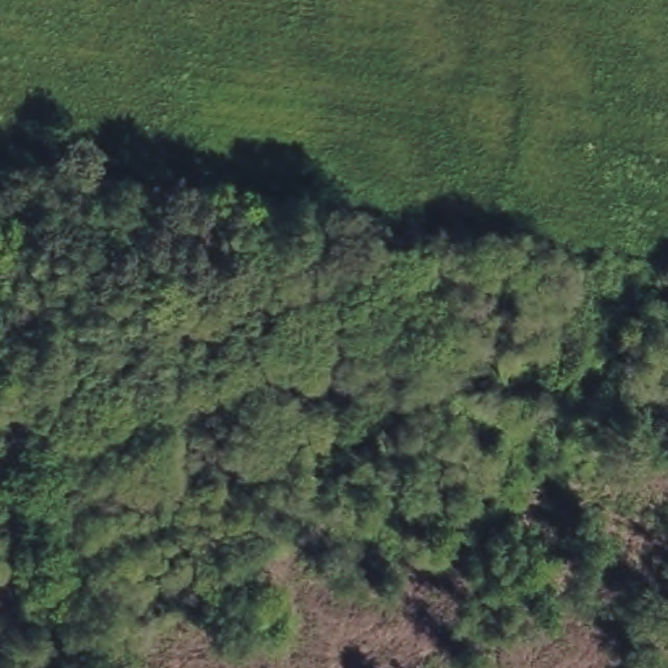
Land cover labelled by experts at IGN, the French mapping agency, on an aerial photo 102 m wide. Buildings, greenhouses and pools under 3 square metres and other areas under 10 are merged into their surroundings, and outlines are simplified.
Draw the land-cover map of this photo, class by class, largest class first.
<instances>
[{"label":"coniferous trees","instance_id":"1","mask_svg":"<svg viewBox=\"0 0 668 668\"><path fill-rule=\"evenodd\" d=\"M107 157L97 146V141H76L68 146L65 141H47L37 149H23L13 141H0V483L8 480L13 472H29L31 462L21 459L29 433L44 436L52 446L44 462V480H73V488L65 496L68 509L73 514V524L68 538L63 540L47 538L50 524L44 519L23 517V511L31 504V496L0 491V668H141V658L157 652L159 637L175 629L180 616H185L193 626L204 629L209 634L211 650L222 655L230 642V631L222 629L214 618H206L204 613L206 603L219 605L222 587L258 579L277 585L284 592V600H292L295 592L313 582L318 587H329L337 598L350 600L355 605L397 611L412 582L446 592L457 603V616L462 618H464L467 603L501 592V579L509 574L514 577V585H524L530 577L538 574V566L543 561H561L571 571L582 569L585 553L590 551V540L582 524H587L590 519L585 517V506L574 491L558 478H551L535 491L532 504L524 511H501L496 501L488 496V472L496 462L498 441L524 420L540 423L553 418L558 438L582 441L587 449L598 451H618L631 441V431H658L663 436V449L668 451V237H663L650 253H631L616 248V256H608L600 245L574 251L569 243H556L538 227H532L517 248H509L504 237L488 235L480 251L457 256L454 245L449 243V235L438 232L425 251H386V245L376 237L371 217L363 214L368 204L360 201V190L355 188L321 185L308 201L295 198L274 204L266 211L256 193L237 190L235 185H222L217 188V193L188 190L175 201V209H170L146 201L144 188L136 183L107 196L99 188V180L104 175ZM68 551L78 561V587L65 600H57L52 608L29 611L26 600L37 595L39 587L50 585V577L44 574V558H55Z\"/></svg>","mask_w":668,"mask_h":668},{"label":"agricultural land","instance_id":"2","mask_svg":"<svg viewBox=\"0 0 668 668\"><path fill-rule=\"evenodd\" d=\"M0 141H13L23 149H37L47 141H65L68 146L76 141H97V146L107 157L104 175L99 180V188L107 196L136 183L144 188L146 201L170 209H175V201L188 190L217 193V188L222 185H235L237 190L256 193L266 211L274 204L295 198L308 201L321 185L355 188L360 190V201L368 204L363 214L371 217L376 237L386 245V251H425L438 232L449 235V243L454 245L457 256L480 251L488 235L504 237L509 248H517L532 227H538L556 243H569L574 251L600 245L608 256H616V248L631 253H650L663 237H668V0H0Z\"/></svg>","mask_w":668,"mask_h":668},{"label":"bare soil","instance_id":"3","mask_svg":"<svg viewBox=\"0 0 668 668\"><path fill-rule=\"evenodd\" d=\"M585 506V517L590 519H598L605 535H616L618 540H624L616 564L608 566L603 577V585L613 590V598H600L603 603L598 608L595 626L569 613L556 639H551L548 631L540 629L532 639H517L514 645L504 647V663H511V668H629L631 637L626 631L637 624V618L647 613L650 605H655L658 600H668V451L663 449V436L658 431H631V441L618 451H598L595 472L585 475L574 491ZM295 613L300 618V631L297 645L290 655L277 660H269L266 655L256 658L253 652L243 660H230L222 655L211 650L209 634L204 629L193 626L185 616H180L175 629L159 637L157 652L141 658V668H407L412 660L425 658L433 647H438L454 668H470L478 658L475 645L470 639L454 637V629L462 618L457 616V603L446 592L412 582L397 611L355 605L350 600L337 598L329 587H318L313 582L295 592L292 600Z\"/></svg>","mask_w":668,"mask_h":668},{"label":"deciduous trees","instance_id":"4","mask_svg":"<svg viewBox=\"0 0 668 668\"><path fill-rule=\"evenodd\" d=\"M598 451L587 449L582 441L558 438L553 418L540 423L524 420L498 441L496 462L488 472V496L496 501L501 511H524L532 504L535 491L551 478H558L574 491L585 475L595 472ZM52 446L44 436L29 433L21 459L31 462L29 472H13L8 480L0 483V491L31 496V504L23 511V517L44 519L50 524L47 538L63 540L68 538L73 524V514L68 509L65 496L73 488V480H44V462ZM590 540V551L585 553L582 569L571 571L561 561H543L538 566V574L530 577L524 585H514V577L509 574L501 579V592L467 603L464 618L470 626H480L488 639H504V629L514 634L530 626L540 629L548 631L551 639H556L569 613L595 626L598 608L603 603L600 598H613V590L603 585V577L608 566L616 564L624 540H618L616 535H605L598 519H590L587 524H582ZM78 561L68 551L55 558H44V574L50 577V585L39 587L37 595L26 600L29 611L52 608L57 600H65L78 587ZM206 618H214L222 629L230 631V642L222 655L230 660H243L253 652L256 658L266 655L269 660H277L290 655L297 645L300 631V618L295 613L292 600H284V592L277 585L258 579L222 587L219 605L206 603L204 613Z\"/></svg>","mask_w":668,"mask_h":668},{"label":"brushwood","instance_id":"5","mask_svg":"<svg viewBox=\"0 0 668 668\"><path fill-rule=\"evenodd\" d=\"M631 637L629 668H668V600H658L655 605H650L647 613L637 618V624L626 631ZM540 629L530 626L514 634L504 629V639H488L480 626H470L464 618H462L454 629V637L470 639L475 645L478 658L470 668H511V663H504V647L514 645L517 639H532ZM407 668H454L438 647H433L425 658L412 660Z\"/></svg>","mask_w":668,"mask_h":668}]
</instances>
